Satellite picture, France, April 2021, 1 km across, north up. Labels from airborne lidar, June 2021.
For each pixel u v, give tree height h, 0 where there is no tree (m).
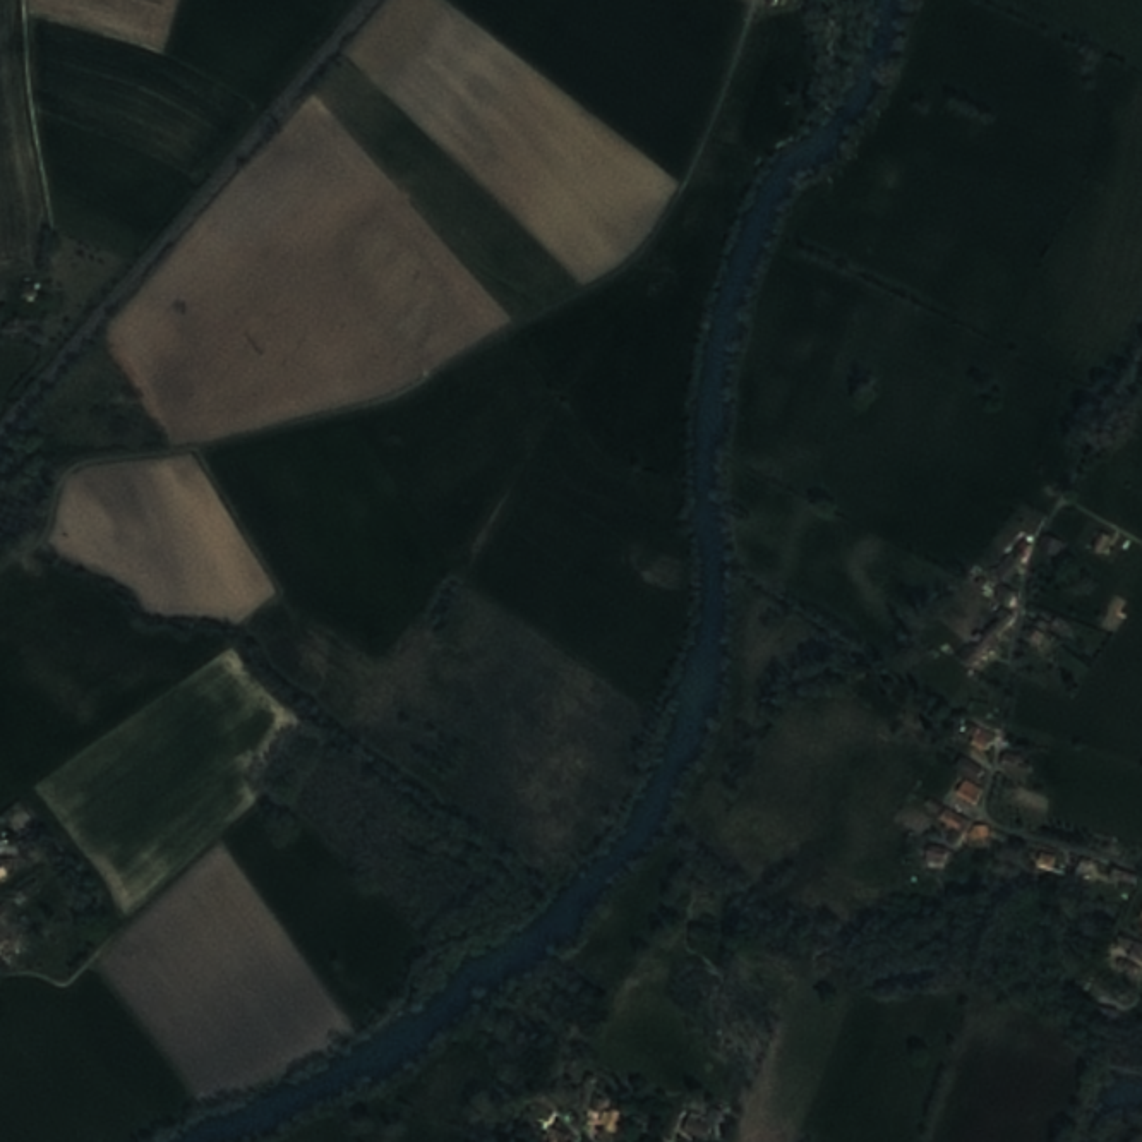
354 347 0
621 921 0
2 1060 0
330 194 0
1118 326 0
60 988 0
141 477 0
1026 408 0
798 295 0
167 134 0
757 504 0
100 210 0
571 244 0
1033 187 0
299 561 0
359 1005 0
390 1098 15
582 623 0
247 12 0
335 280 0
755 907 16
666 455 0
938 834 7
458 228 0
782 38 0
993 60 0
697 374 9
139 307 0
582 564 0
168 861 0
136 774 0
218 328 0
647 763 15
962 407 0
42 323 8
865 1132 0
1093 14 0
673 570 0
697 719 0
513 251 0
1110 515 0
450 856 9
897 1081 0
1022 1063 0
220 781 0
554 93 0
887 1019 0
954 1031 0
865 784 0
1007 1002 17
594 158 0
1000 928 24
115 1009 0
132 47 0
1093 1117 9
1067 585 7
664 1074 0
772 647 0
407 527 0
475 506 0
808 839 0
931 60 0
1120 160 0
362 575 0
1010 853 15
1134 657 0
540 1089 13
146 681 0
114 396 8
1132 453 0
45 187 0
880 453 0
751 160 0
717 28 0
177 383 0
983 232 0
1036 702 0
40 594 0
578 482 0
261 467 0
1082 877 13
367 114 0
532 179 0
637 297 0
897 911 7
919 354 0
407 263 0
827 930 19
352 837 15
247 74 0
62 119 0
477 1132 10
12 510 13
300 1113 11
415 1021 0
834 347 0
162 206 0
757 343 0
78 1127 0
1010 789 8
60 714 0
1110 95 0
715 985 17
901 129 0
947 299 0
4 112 0
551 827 0
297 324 0
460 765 9
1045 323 0
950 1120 0
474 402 0
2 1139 0
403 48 0
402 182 0
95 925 25
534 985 17
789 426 0
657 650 0
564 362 0
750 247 0
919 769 0
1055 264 0
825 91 14
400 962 0
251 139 0
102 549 0
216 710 0
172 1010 0
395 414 0
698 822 0
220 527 0
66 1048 0
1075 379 0
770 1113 0
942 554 0
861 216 0
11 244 0
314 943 0
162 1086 0
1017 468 0
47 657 0
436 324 0
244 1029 0
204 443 0
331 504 0
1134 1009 0
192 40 0
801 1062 0
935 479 0
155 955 0
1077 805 0
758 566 0
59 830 0
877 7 7
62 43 0
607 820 15
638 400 0
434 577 0
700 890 14
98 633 0
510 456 0
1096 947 20
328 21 0
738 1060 17
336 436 0
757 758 0
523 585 0
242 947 0
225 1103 14
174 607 0
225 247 0
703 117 0
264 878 0
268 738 0
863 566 0
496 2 0
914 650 22
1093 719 0
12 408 0
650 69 0
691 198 0
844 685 24
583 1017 19
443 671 0
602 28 0
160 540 0
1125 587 0
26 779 0
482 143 0
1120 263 0
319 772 15
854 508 0
